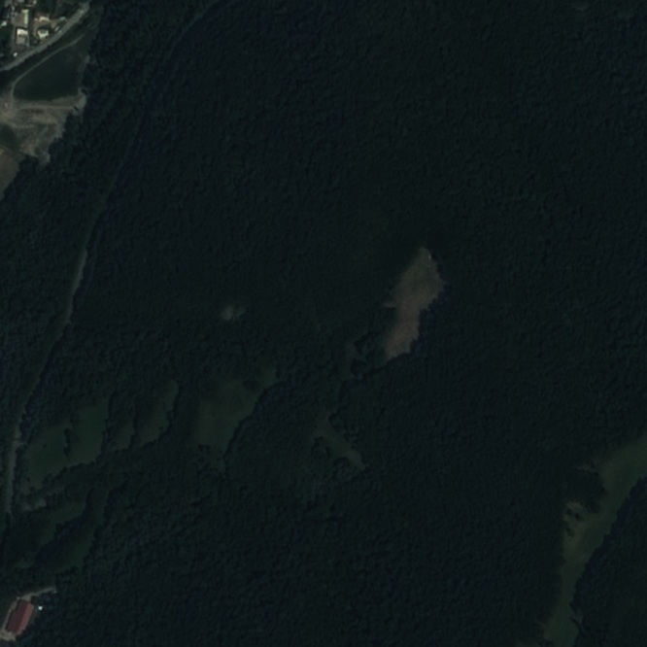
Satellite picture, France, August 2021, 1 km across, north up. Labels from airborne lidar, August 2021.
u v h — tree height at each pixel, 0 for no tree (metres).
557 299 20
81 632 21
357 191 15
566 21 23
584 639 8
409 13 21
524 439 26
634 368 31
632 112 28
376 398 16
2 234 21
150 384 21
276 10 20
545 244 27
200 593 22
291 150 23
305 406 24
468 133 24
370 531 27
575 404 22
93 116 18
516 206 27
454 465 26
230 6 16
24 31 0
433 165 21
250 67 25
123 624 16
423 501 21
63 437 0
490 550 26
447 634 24
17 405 17
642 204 22
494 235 26
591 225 25
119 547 24
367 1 17
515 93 25
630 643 25
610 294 24
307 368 20
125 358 20
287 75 22
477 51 25
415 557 25
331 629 27
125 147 9
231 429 0
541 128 26
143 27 25
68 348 21
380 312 15
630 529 26
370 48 16
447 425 22
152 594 22
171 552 21
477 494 23
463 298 24
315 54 21
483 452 25
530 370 20
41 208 18
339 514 25
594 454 19
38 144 0
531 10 25
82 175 13
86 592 15
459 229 32
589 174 24
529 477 25
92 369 20
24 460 12
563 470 19
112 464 20
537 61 19
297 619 17
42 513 20
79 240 21
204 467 9
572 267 24
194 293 17
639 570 16
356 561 27
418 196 22
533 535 24
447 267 19
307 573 13
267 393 11
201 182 20
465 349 22
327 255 16
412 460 20
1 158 0
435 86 24
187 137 24
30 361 21
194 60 21
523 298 24
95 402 13
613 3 14
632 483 0
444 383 23
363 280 15
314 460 18
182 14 9
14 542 27
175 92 25
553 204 26
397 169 24
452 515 26
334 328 11
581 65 22
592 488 23
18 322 27
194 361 24
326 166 19
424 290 0
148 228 21
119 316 14
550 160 27
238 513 16
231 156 25
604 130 23
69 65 0
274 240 16
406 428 21
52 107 0
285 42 22
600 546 0
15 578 13
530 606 22
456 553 25
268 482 13
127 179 15
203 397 13
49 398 18
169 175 22
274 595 22
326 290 13
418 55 20
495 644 24
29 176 15
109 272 17
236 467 13
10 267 20
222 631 24
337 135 18
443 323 18
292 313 17
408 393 21
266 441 15
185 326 23
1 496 14
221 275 20
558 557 17
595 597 27
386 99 21
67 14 8
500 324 23
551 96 28
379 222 15
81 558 0
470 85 20
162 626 17
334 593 26
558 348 21
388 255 17
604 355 30
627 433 25
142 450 11
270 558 20
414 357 13
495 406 24
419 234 17
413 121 22
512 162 28
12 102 0
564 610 0
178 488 26
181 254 22
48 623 18
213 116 17
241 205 20
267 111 21
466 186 25
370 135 20
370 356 12
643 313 32
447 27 19
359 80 18
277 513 24
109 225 20
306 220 18
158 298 10
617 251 22
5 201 10
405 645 26
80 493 18
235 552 18
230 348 30
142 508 18
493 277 22
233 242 21
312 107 23
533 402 23
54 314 17
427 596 27
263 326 20
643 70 26
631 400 25
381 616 25
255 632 31
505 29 29
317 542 23
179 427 15
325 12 18
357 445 22
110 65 20
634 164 22
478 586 28
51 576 14
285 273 20
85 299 13
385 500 26
